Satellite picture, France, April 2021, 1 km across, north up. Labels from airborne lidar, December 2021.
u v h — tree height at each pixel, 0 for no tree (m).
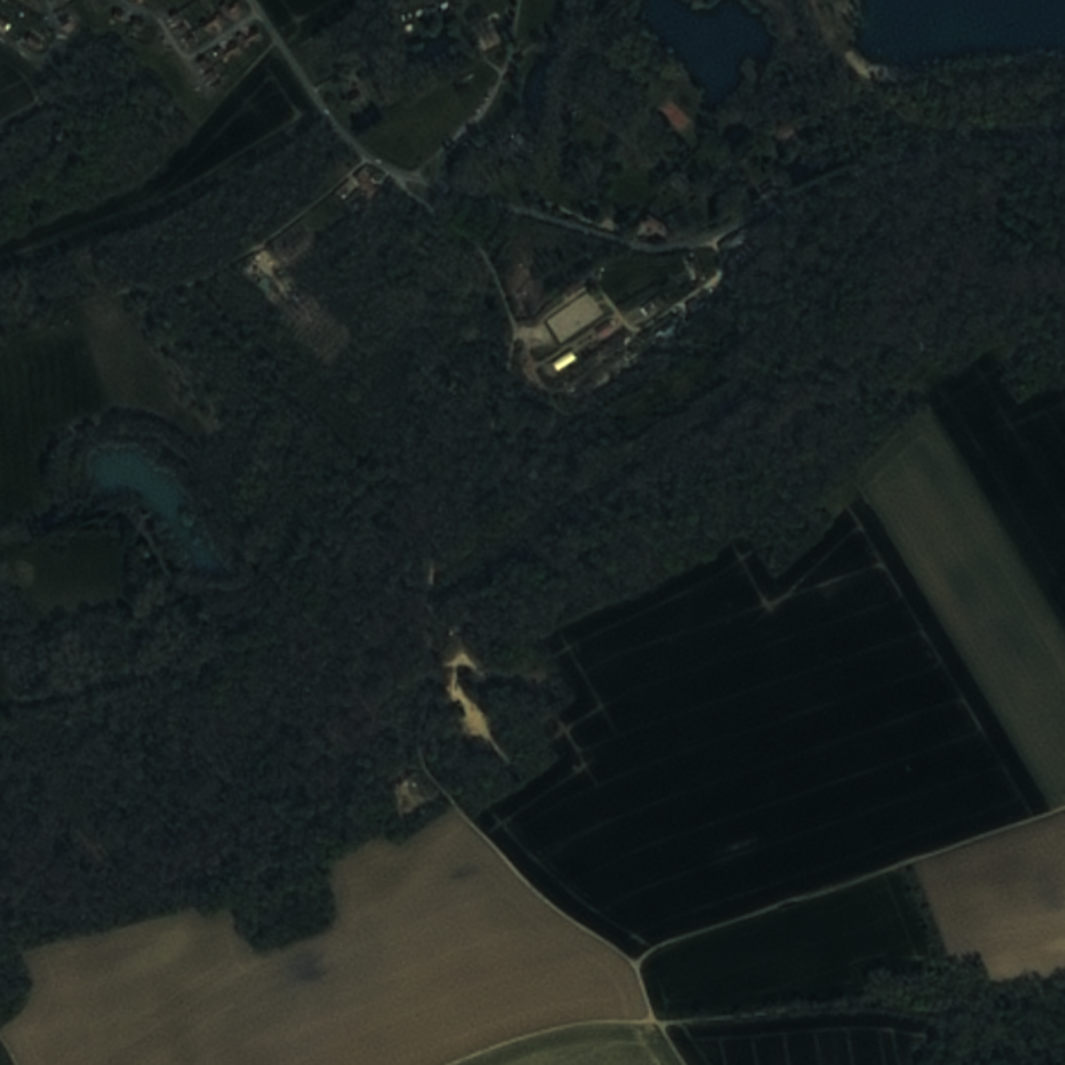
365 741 25
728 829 0
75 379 0
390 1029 0
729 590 0
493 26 17
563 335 0
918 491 0
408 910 0
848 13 0
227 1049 0
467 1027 0
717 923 0
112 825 21
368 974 0
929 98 23
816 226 20
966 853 0
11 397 0
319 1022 0
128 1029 0
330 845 17
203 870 15
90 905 16
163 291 12
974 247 31
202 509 20
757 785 0
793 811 0
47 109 16
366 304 18
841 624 0
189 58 0
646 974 0
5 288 32
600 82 35
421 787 0
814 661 0
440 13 7
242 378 15
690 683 0
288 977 0
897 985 17
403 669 25
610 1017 0
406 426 19
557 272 13
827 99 40
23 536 17
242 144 0
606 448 24
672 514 18
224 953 0
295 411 22
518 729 19
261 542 39
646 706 0
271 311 12
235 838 24
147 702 34
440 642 21
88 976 0
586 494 7
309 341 27
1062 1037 30
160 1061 0
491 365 21
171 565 7
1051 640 0
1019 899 0
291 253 22
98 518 16
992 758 0
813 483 23
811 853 0
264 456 32
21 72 0
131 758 33
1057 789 0
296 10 0
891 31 0
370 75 12
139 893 11
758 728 0
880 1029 0
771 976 0
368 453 14
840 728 0
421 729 19
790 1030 0
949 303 22
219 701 24
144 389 0
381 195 19
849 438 23
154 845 29
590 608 15
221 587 16
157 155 24
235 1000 0
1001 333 21
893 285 29
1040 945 0
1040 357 20
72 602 0
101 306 0
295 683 20
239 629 14
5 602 20
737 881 0
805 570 0
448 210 25
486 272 37
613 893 0
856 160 24
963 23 0
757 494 21
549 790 0
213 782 31
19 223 22
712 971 0
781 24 15
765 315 27
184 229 22
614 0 23
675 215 0
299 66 0
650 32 23
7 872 23
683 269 0
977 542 0
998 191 22
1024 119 19
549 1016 0
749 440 20
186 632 29
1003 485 0
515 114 23
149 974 0
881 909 0
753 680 0
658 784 0
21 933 22
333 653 18
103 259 21
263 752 30
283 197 16
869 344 17
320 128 25
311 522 16
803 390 26
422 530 26
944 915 0
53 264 20
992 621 0
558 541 21
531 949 0
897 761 0
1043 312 18
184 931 0
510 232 20
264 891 13
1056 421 0
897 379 15
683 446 8
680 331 12
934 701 0
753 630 0
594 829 0
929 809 0
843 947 0
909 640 0
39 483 0
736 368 10
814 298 29
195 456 23
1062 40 0
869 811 0
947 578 0
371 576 26
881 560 0
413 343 20
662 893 0
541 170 38
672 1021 0
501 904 0
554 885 0
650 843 0
